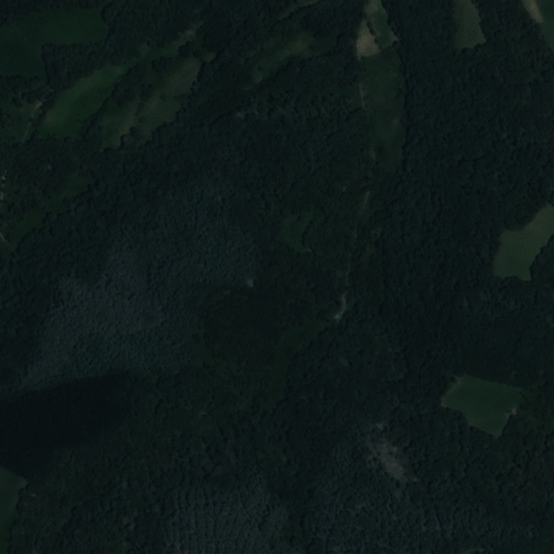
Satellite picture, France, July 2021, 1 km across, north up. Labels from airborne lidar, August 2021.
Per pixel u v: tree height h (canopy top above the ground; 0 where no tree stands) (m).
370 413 17
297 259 17
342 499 18
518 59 27
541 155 15
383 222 20
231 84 10
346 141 25
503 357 15
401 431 24
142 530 20
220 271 24
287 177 24
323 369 27
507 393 0
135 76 17
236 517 18
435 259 15
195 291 15
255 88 8
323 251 19
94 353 22
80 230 24
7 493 0
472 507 18
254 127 23
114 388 18
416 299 28
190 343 18
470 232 29
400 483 24
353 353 25
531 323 18
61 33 0
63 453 18
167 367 23
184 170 17
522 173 25
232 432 24
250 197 26
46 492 20
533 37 27
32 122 20
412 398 31
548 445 24
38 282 21
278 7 22
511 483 23
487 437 19
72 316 19
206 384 23
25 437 17
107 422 19
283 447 25
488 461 23
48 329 20
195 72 0
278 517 22
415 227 28
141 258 14
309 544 9
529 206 24
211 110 14
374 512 15
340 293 19
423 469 22
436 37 22
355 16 25
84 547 16
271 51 8
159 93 0
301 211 10
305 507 24
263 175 24
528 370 13
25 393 18
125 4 21
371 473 15
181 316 22
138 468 25
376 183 15
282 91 22
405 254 14
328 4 18
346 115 18
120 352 23
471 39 0
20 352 20
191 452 30
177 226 12
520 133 20
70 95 0
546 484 22
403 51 19
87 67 19
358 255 12
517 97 27
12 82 24
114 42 20
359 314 20
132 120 0
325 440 21
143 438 23
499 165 27
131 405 19
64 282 20
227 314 15
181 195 12
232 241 23
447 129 29
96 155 28
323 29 21
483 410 0
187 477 20
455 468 18
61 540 14
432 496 20
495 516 22
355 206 20
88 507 25
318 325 0
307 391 23
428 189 26
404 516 19
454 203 31
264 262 18
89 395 22
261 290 11
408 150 27
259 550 20
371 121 10
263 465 24
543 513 17
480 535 21
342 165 22
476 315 28
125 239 16
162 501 18
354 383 21
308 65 24
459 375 18
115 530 20
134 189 20
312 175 21
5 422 16
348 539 17
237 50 29
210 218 20
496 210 29
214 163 17
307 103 19
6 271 26
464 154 26
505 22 22
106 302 22
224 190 26
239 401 20
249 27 34
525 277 0
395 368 23
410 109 18
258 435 27
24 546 18
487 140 29
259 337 17
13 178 15
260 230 22
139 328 19
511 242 0
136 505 22
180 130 24
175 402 24
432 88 18
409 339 18
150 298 19
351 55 18
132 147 24
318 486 21
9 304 23
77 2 17
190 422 25
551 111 23
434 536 17
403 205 27
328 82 19
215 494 16
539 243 0
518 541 17
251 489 24
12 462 18
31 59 0
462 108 21
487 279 24
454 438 18
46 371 23
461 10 0
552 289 22
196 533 20
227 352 13
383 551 18
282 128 22
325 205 9
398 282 10
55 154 24
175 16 21
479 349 13
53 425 19
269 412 8
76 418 19
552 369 29
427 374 20
